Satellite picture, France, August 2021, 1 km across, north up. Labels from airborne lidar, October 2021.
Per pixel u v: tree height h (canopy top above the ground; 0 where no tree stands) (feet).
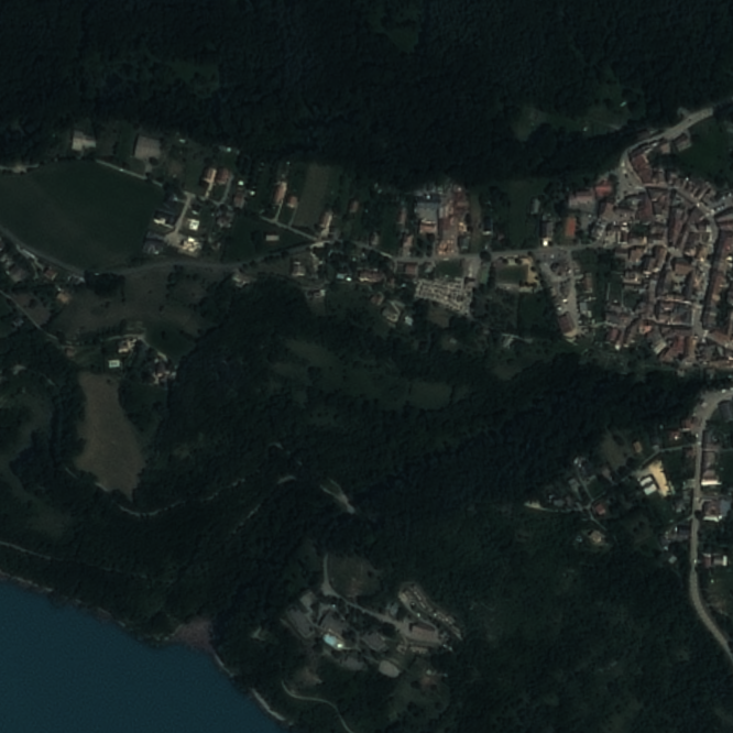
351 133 111
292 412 64
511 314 19
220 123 93
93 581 60
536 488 37
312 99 80
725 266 0
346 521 66
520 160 85
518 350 59
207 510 36
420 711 31
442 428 44
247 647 45
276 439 24
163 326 0
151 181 32
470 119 82
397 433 54
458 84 70
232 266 0
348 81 94
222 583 34
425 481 102
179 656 0
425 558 40
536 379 36
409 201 21
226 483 57
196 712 0
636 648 31
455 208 0
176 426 50
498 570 21
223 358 58
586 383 93
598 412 72
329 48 84
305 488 56
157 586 45
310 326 55
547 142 67
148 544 60
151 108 40
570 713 22
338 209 27
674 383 25
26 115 92
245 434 70
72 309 0
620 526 47
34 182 0
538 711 34
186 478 34
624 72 63
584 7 82
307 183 0
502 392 52
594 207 0
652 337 0
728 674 38
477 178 70
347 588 0
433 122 26
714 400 0
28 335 49
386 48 81
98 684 0
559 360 34
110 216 0
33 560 55
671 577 39
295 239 0
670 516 0
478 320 31
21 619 0
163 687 0
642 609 28
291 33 109
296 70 93
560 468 21
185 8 70
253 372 49
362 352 41
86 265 0
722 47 62
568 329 0
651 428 25
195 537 25
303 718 33
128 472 0
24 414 26
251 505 32
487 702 53
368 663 56
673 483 19
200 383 52
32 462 78
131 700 0
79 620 0
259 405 28
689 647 24
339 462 39
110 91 27
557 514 25
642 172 0
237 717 0
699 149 0
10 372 46
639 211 0
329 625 0
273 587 50
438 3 66
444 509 54
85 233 0
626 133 45
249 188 38
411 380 26
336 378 0
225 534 52
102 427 0
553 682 18
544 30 55
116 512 48
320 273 25
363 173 51
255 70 19
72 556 61
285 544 42
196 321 0
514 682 36
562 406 82
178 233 0
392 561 39
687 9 66
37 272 26
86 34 35
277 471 51
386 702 29
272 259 32
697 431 0
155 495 37
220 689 0
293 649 43
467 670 25
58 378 32
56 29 105
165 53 79
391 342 30
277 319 45
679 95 68
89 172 0
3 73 119
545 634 22
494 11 67
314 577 30
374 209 22
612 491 22
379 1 24
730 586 0
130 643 0
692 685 62
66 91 79
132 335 0
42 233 0
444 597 30
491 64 80
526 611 20
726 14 26
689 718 25
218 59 64
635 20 76
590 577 46
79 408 29
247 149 56
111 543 40
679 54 57
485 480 49
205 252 23
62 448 49
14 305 33
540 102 69
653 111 64
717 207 0
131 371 54
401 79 63
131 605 21
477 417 51
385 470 27
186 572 62
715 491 0
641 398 66
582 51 61
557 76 51
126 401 26
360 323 21
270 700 39
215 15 98
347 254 40
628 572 54
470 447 79
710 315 0
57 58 92
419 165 92
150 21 102
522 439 93
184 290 0
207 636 0
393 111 70
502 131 62
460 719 22
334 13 88
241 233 0
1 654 0
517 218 0
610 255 21
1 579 0
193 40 73
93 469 0
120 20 103
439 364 54
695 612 37
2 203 0
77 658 0
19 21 114
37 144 83
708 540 23
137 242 0
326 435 30
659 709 21
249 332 43
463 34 69
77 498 69
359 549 53
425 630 0
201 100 29
